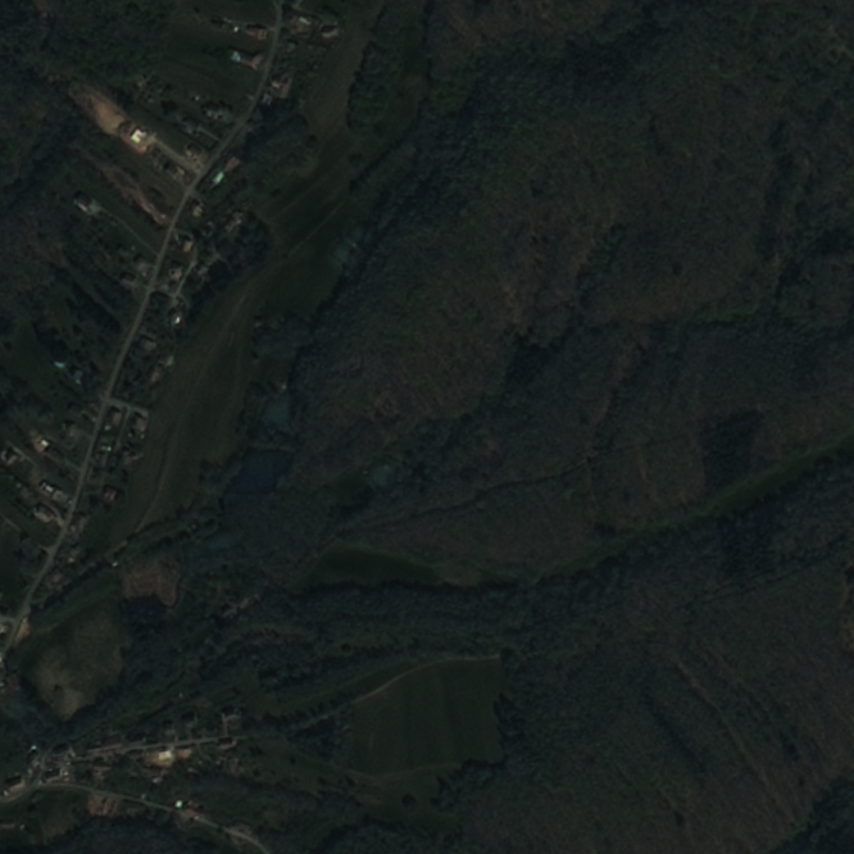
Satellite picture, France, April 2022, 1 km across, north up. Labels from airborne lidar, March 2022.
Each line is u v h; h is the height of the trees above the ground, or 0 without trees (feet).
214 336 0
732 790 84
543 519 70
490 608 72
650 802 77
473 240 68
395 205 77
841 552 64
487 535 72
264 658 61
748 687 61
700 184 62
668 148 54
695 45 72
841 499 88
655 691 73
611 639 69
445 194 40
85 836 63
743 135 70
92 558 47
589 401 70
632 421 66
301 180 0
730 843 85
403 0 61
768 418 61
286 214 0
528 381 64
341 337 55
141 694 68
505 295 81
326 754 58
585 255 94
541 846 68
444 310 69
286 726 52
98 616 0
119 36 67
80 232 55
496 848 63
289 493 60
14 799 0
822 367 72
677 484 78
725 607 65
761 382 56
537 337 48
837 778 49
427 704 0
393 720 0
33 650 0
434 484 70
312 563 20
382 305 54
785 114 76
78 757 0
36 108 68
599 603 66
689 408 63
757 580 49
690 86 50
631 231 47
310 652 52
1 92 80
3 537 0
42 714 61
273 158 111
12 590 0
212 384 0
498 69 75
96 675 0
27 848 0
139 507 0
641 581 90
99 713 53
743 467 58
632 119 62
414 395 92
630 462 64
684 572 71
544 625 64
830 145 77
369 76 57
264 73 0
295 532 69
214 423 0
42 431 0
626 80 98
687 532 69
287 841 44
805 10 94
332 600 54
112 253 20
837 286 81
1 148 60
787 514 84
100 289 69
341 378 66
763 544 72
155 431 0
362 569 0
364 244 32
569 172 76
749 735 74
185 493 0
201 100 0
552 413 72
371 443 78
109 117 0
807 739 58
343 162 0
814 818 55
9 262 56
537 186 51
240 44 0
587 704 63
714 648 64
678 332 50
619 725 77
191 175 0
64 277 71
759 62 37
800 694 74
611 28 89
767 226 73
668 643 75
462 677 0
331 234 0
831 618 85
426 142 67
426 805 0
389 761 0
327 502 64
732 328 64
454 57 80
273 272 0
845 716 73
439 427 59
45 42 70
